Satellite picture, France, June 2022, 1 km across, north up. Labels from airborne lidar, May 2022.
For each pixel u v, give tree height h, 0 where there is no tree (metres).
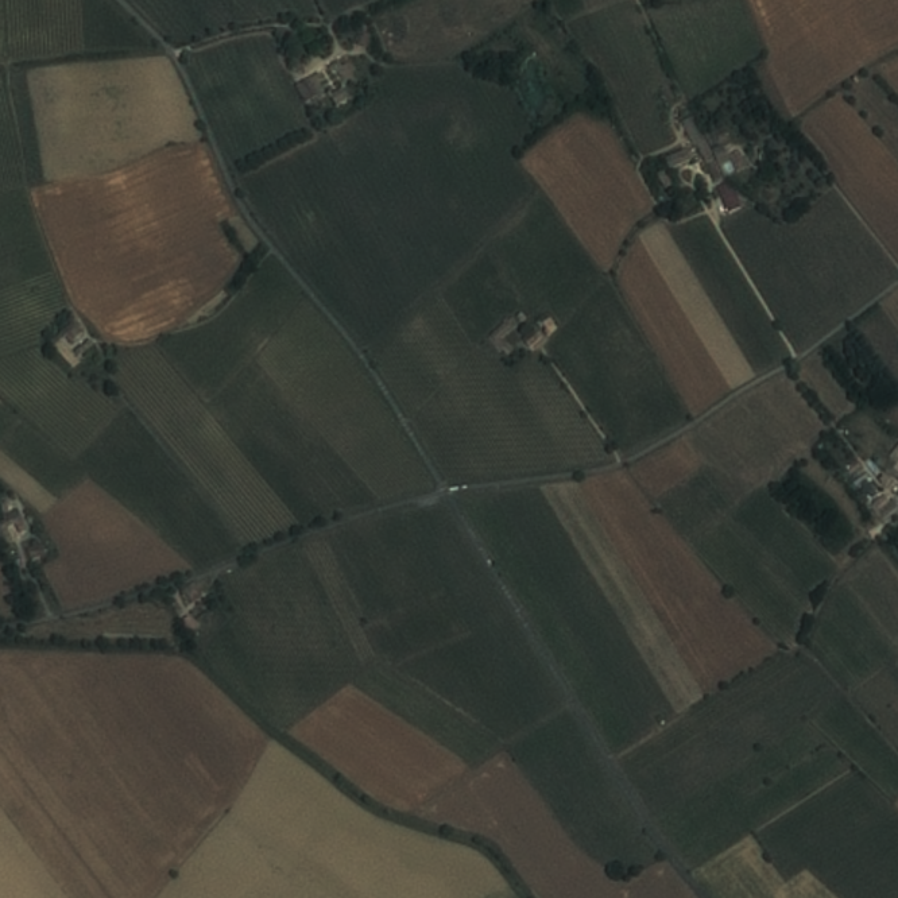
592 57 0
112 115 0
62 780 0
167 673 0
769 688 0
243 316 0
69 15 0
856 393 11
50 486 0
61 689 0
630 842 0
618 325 0
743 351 0
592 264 0
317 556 0
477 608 0
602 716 0
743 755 0
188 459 0
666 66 7
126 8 0
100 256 0
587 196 0
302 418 0
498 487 0
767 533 0
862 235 0
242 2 0
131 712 0
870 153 0
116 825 0
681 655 0
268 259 0
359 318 0
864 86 0
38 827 0
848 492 6
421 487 0
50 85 0
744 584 0
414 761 0
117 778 0
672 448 0
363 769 0
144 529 0
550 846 0
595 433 0
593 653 0
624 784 0
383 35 0
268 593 0
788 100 0
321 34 10
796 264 0
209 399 0
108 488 0
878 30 0
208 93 0
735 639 0
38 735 0
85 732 0
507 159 0
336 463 0
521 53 8
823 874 0
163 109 0
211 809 0
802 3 0
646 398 0
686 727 0
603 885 0
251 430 0
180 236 0
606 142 0
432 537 0
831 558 0
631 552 0
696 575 0
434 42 0
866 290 0
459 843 0
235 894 0
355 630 0
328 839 0
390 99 0
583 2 0
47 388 0
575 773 0
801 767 0
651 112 0
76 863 0
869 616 0
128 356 0
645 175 6
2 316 0
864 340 21
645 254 0
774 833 0
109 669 0
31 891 0
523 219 0
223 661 0
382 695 0
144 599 12
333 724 0
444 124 0
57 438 0
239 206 0
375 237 0
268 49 0
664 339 0
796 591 0
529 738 0
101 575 0
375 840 0
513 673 0
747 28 0
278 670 0
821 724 0
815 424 0
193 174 0
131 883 0
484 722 0
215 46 0
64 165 0
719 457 0
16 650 0
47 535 0
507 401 0
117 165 0
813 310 0
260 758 0
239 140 0
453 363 0
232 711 0
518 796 0
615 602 0
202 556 0
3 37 0
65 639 16
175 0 0
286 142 10
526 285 0
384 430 0
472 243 0
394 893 0
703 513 0
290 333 0
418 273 0
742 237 0
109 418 0
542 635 0
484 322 0
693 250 0
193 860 0
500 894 0
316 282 0
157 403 0
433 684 0
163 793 0
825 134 0
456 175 0
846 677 0
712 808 0
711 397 0
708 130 6
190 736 0
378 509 0
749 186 8
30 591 11
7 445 0
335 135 0
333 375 0
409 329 0
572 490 0
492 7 0
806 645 8
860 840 0
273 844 0
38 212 0
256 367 0
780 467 0
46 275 0
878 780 0
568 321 0
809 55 0
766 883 0
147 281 0
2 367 0
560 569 0
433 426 0
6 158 0
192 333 0
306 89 0
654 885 0
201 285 0
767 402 0
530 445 0
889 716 0
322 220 0
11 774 0
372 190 0
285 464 0
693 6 0
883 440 0
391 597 0
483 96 0
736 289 0
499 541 0
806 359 0
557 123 8
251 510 0
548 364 11
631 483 0
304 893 0
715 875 0
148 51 0
